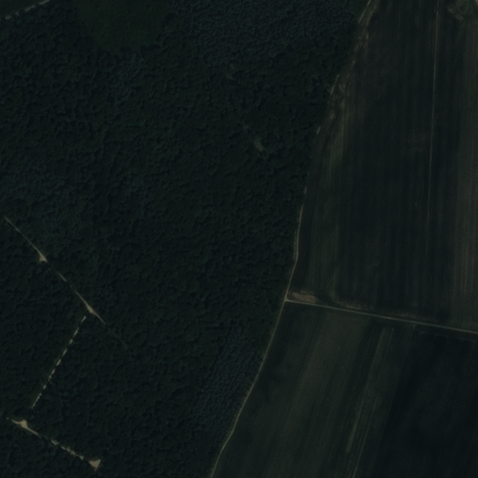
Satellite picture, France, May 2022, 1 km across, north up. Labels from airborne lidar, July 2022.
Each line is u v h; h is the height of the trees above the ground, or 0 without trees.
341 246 0
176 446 14
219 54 30
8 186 22
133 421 31
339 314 0
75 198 21
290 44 29
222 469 0
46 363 31
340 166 0
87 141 29
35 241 20
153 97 22
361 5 22
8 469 21
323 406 0
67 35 28
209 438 24
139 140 26
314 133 26
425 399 0
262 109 31
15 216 23
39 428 26
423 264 0
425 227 0
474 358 0
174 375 27
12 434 30
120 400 27
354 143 0
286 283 21
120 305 27
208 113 27
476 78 0
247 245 29
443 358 0
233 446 0
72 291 27
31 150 25
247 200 24
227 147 25
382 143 0
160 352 26
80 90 32
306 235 0
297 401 0
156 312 24
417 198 0
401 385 0
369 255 0
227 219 26
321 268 0
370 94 0
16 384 29
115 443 27
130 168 26
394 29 0
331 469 0
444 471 0
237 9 30
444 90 0
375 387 0
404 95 0
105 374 27
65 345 24
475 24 0
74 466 21
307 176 22
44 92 26
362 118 0
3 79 25
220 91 26
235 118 31
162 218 26
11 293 22
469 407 0
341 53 28
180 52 26
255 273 28
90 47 21
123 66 28
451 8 0
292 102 28
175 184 23
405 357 0
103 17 6
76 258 28
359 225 0
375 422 0
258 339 22
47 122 29
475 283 0
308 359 0
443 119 0
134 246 10
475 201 0
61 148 20
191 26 23
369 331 0
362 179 0
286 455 0
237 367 32
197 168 27
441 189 0
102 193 30
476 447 0
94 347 30
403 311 0
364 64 0
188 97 22
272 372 0
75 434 26
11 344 27
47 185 22
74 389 19
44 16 16
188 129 27
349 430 0
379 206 0
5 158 16
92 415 26
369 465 0
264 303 23
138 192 33
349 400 0
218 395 29
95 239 24
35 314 25
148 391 22
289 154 29
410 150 0
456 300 0
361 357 0
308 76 29
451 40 0
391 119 0
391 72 0
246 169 27
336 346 0
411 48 0
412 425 0
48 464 30
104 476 28
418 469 0
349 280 0
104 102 24
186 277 32
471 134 0
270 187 26
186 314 27
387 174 0
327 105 20
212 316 29
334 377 0
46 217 25
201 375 27
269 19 29
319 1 29
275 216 26
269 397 0
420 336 0
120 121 21
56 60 27
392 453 0
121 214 29
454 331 0
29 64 30
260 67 29
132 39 6
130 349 25
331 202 0
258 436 0
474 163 0
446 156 0
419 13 0
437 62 0
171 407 21
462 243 0
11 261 29
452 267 0
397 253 0
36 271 25
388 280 0
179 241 29
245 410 0
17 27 27
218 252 30
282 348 0
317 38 27
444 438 0
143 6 7
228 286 27
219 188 28
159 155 19
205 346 25
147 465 25
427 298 0
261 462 0
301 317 0
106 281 23
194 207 27
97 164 26
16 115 15
